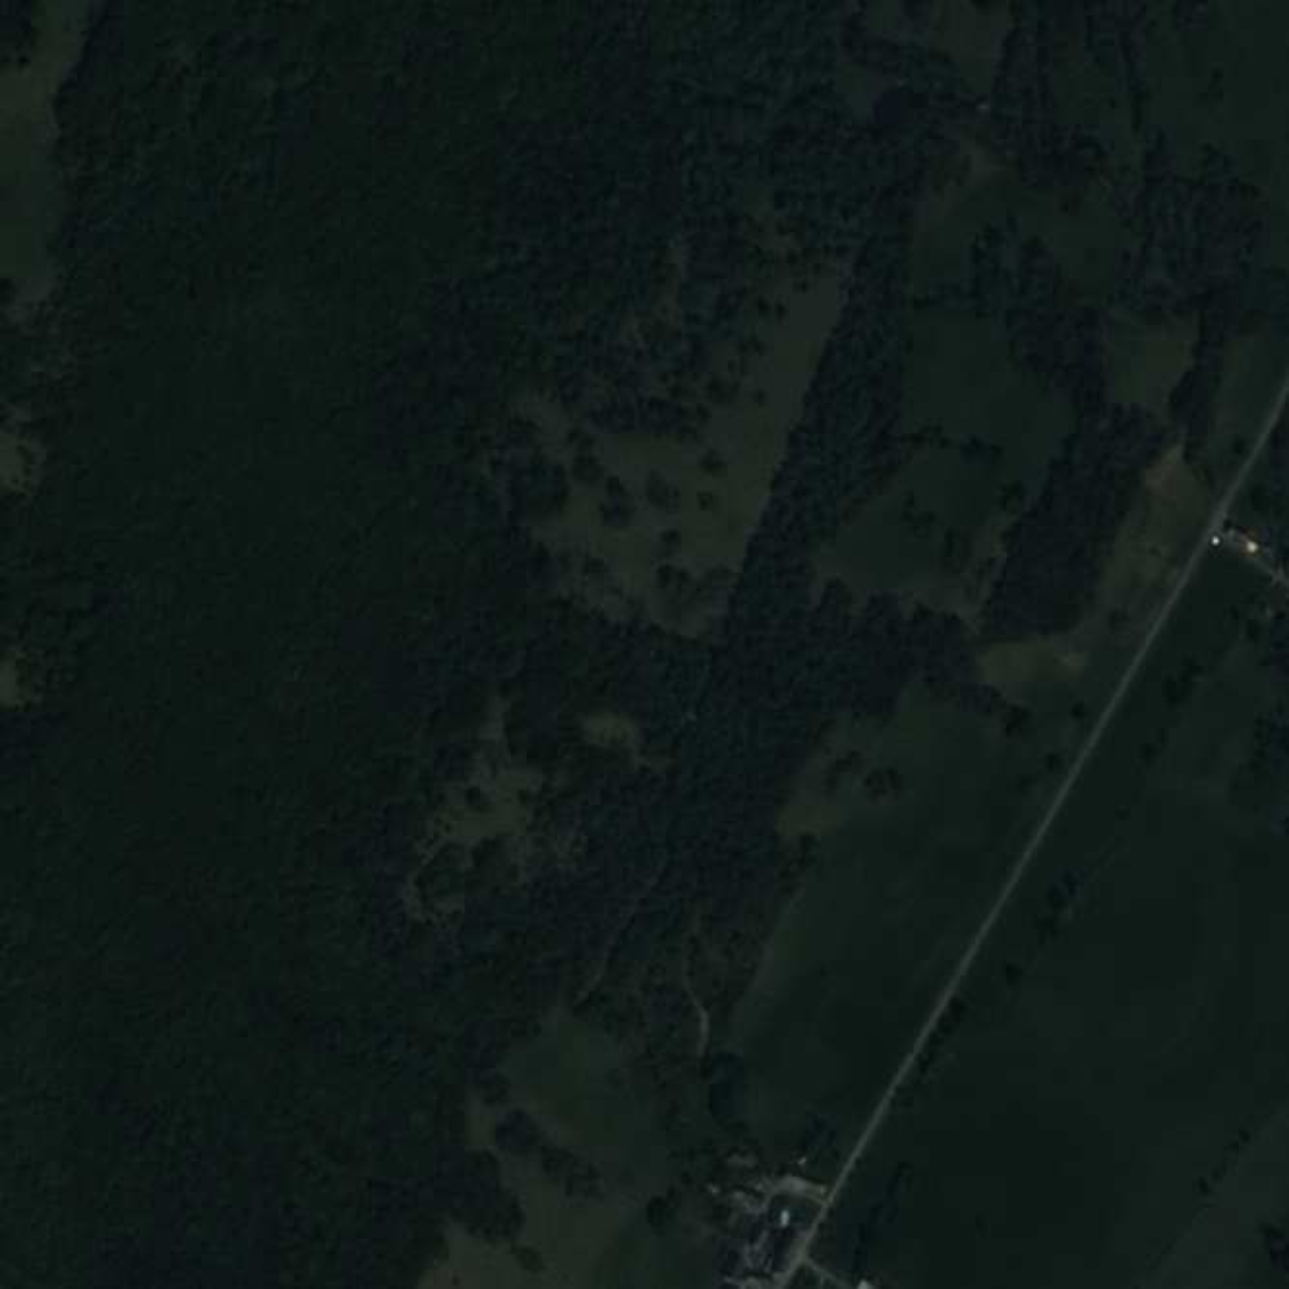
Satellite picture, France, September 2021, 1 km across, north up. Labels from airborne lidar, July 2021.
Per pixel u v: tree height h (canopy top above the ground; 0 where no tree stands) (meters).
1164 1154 0
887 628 7
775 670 18
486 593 23
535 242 21
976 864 0
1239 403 0
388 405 25
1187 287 17
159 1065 26
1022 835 0
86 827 20
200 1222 19
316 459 19
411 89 23
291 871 19
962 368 0
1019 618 15
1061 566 17
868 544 0
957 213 0
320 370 21
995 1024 0
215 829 23
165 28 16
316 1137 20
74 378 8
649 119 18
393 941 19
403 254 24
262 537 20
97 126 13
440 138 24
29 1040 19
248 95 17
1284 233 0
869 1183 0
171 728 22
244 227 23
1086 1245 0
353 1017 23
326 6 21
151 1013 23
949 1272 0
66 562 20
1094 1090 0
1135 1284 0
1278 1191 0
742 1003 14
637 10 14
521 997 16
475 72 26
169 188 19
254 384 22
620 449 0
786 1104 0
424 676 20
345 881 21
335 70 21
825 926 0
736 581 16
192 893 16
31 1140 11
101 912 25
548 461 23
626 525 17
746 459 0
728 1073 23
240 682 21
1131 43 14
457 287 22
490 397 19
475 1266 0
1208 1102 0
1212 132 0
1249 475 0
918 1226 0
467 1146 15
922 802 0
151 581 20
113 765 18
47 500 16
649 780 13
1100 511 14
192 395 21
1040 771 0
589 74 24
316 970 20
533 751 15
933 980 0
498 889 6
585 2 23
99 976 21
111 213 15
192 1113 19
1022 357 8
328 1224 21
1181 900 0
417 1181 17
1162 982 0
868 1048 0
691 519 0
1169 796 0
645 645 14
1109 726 0
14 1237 16
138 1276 22
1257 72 0
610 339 15
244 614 21
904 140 21
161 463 20
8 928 19
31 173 0
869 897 0
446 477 14
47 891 21
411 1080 25
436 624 19
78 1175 17
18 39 12
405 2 18
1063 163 21
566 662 23
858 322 16
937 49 0
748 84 8
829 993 0
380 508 14
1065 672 0
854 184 18
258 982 17
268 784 22
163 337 21
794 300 0
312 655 15
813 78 20
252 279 20
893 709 15
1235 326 16
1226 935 0
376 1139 23
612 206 21
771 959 0
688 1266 0
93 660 21
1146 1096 0
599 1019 13
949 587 0
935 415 0
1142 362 0
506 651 10
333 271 21
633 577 0
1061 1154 0
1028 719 15
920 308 13
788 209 16
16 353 8
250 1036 16
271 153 16
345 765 25
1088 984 0
